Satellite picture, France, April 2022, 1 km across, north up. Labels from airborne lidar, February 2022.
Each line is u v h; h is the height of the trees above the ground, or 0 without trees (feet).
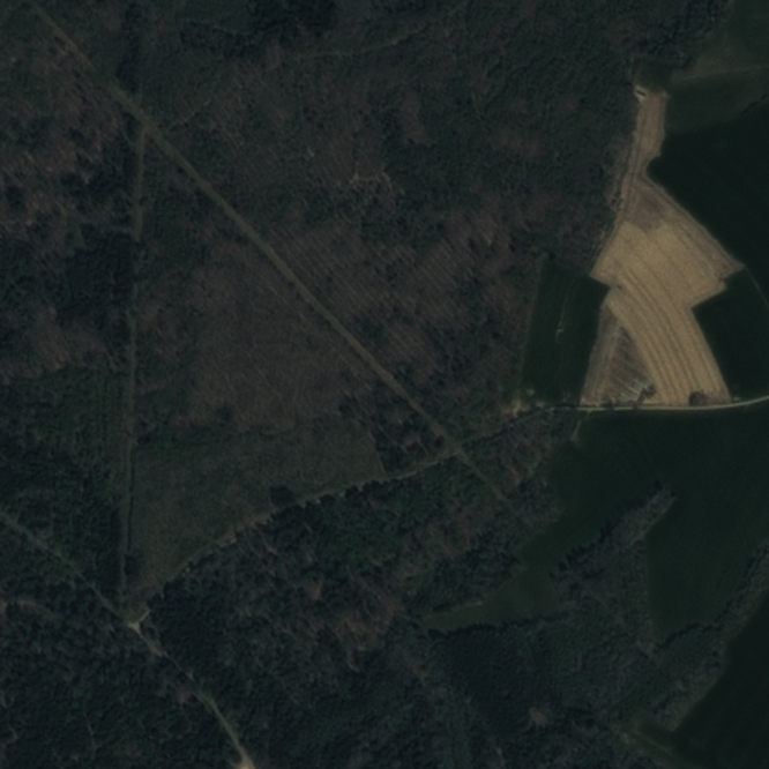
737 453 0
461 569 50
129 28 55
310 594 83
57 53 57
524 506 79
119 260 57
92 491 45
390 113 30
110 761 36
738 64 0
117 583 44
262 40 79
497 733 70
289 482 34
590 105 49
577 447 0
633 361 0
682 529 0
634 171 0
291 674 71
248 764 0
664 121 0
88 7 41
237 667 62
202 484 20
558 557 0
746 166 0
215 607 69
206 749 36
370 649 65
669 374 0
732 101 0
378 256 29
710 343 0
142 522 51
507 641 64
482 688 54
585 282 0
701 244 0
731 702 0
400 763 87
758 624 0
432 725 95
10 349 70
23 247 52
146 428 43
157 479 37
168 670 89
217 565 73
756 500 0
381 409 64
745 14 0
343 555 39
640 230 0
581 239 71
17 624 68
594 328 0
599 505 0
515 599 0
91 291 75
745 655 0
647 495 0
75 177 25
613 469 0
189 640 63
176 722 37
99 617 96
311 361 0
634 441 0
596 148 38
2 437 52
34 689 36
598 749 74
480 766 61
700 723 0
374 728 75
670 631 0
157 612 83
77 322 73
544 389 0
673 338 0
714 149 0
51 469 42
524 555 0
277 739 84
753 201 0
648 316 0
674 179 0
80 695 68
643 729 0
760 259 0
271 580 20
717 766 0
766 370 0
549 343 0
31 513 48
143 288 83
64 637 36
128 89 66
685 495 0
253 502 41
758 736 0
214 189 24
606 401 0
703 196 0
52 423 57
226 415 36
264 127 28
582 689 67
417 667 88
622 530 98
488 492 55
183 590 68
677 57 87
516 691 60
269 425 51
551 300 0
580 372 0
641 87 0
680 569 0
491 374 43
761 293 0
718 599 0
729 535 0
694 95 0
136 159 73
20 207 67
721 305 0
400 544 74
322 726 75
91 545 40
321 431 45
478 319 38
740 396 0
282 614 94
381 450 36
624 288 0
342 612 98
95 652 89
